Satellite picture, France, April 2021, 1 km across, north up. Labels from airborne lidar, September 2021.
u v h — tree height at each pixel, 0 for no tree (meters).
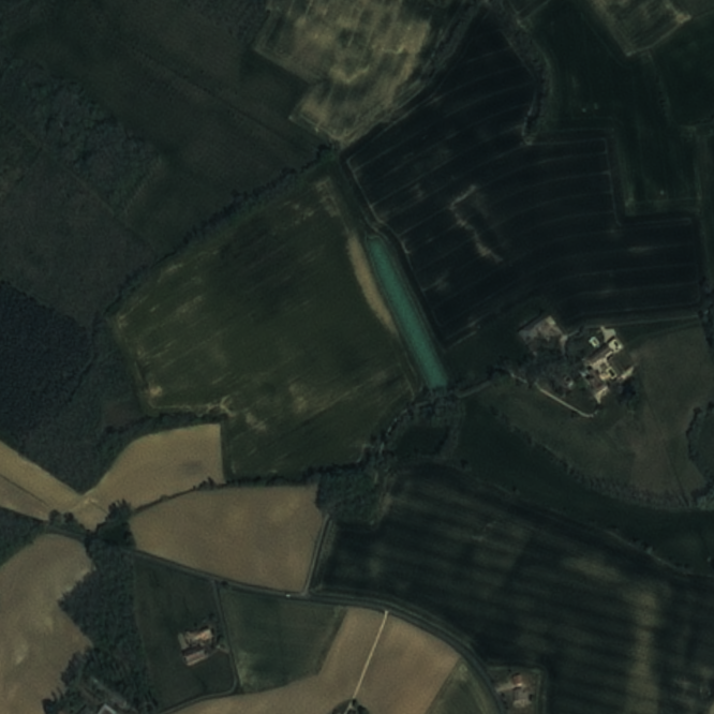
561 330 0
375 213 0
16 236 12
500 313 0
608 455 0
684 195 0
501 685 8
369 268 0
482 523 0
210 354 0
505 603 0
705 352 0
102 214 11
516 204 0
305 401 0
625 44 0
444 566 0
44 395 11
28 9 18
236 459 0
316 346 0
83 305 10
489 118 0
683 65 0
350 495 17
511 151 0
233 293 0
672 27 0
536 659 0
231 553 0
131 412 0
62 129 18
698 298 0
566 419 0
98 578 12
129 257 10
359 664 0
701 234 0
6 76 13
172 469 0
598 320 0
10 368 13
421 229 0
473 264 0
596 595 0
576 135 0
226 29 16
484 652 0
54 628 0
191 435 0
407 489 0
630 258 0
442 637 0
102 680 10
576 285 0
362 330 0
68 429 18
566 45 0
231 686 0
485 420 0
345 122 0
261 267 0
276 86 0
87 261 10
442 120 0
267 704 0
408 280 0
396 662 0
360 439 0
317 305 0
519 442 0
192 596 0
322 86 0
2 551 19
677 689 0
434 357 0
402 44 0
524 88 0
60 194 11
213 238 17
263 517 0
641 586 0
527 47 12
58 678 0
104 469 19
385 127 0
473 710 0
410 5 0
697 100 0
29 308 12
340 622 0
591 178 0
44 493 0
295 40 0
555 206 0
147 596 0
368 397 0
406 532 0
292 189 18
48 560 0
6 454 0
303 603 0
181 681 0
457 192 0
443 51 17
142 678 13
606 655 0
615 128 0
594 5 0
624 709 0
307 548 0
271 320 0
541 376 21
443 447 12
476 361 0
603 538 0
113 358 17
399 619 0
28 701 0
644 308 0
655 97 0
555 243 0
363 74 0
